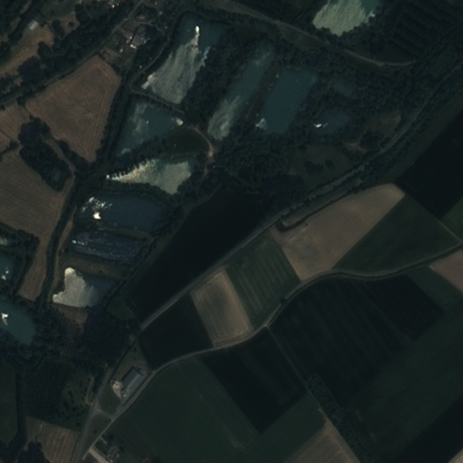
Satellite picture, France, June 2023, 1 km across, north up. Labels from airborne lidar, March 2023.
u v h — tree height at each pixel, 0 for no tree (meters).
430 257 0
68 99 0
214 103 19
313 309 0
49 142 0
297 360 0
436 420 0
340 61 7
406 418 0
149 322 0
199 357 0
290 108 0
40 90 11
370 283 0
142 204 0
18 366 27
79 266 0
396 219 0
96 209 0
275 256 0
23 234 10
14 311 0
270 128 0
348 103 19
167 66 0
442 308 0
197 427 0
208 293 0
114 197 0
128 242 0
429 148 0
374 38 16
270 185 31
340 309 0
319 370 0
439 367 0
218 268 0
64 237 0
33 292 0
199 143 0
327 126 0
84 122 0
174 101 0
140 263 11
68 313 0
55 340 17
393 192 0
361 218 0
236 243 0
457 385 0
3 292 18
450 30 26
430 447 0
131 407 0
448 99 12
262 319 0
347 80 11
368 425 0
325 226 0
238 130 14
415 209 0
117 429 0
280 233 0
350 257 0
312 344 0
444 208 0
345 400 0
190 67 0
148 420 0
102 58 12
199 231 0
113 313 0
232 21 12
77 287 0
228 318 0
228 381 0
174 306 0
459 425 0
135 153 18
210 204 0
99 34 22
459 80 16
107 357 34
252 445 0
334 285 0
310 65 19
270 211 18
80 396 0
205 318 0
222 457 0
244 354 0
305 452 0
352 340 0
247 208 0
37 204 0
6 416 0
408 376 0
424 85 21
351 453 0
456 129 0
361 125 12
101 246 0
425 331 0
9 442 0
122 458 0
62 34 23
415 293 0
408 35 27
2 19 16
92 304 0
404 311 0
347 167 0
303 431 0
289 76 0
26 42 0
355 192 10
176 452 0
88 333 31
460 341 0
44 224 0
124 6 16
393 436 0
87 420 0
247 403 0
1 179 0
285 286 0
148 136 0
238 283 0
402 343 0
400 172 0
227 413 0
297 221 0
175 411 0
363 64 0
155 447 0
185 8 0
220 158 12
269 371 0
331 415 11
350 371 0
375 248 0
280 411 0
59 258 0
